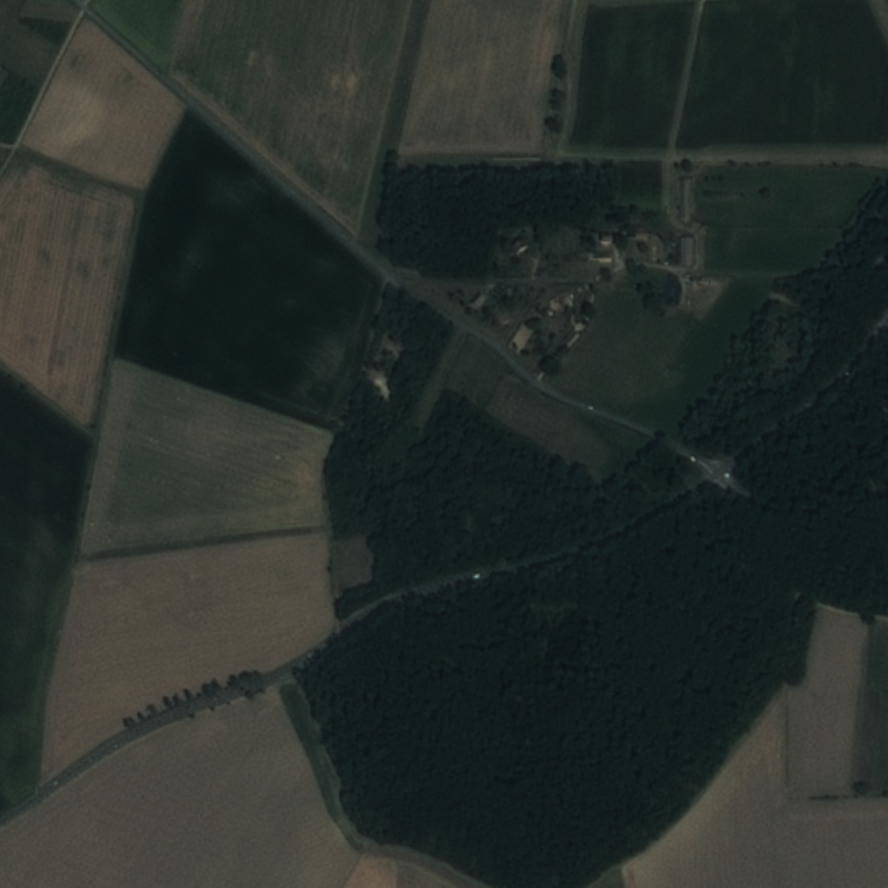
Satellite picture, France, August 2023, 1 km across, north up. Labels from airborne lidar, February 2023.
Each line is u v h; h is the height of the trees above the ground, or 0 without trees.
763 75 0
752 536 21
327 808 0
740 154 0
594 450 0
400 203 23
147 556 0
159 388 0
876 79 0
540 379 0
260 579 0
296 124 0
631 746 21
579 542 17
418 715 21
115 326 0
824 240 0
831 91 0
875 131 0
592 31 0
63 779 0
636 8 0
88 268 0
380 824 14
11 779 0
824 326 14
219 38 0
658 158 0
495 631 22
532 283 0
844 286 21
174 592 0
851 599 19
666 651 17
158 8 0
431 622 22
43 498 0
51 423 0
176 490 0
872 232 20
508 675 13
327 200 0
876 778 0
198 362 0
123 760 0
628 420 0
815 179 0
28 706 0
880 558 20
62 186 0
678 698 21
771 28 0
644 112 0
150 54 0
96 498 0
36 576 0
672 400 0
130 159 0
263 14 0
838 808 0
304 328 0
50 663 0
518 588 13
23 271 0
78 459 0
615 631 20
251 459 0
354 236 0
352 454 13
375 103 0
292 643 0
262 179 0
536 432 0
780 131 0
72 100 0
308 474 0
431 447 13
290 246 0
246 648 0
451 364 0
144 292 0
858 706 0
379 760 19
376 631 19
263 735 0
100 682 0
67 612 0
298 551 0
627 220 14
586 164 0
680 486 16
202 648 0
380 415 7
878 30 0
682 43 0
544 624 6
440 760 21
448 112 0
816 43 0
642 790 21
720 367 0
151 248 0
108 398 0
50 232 0
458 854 12
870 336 13
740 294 0
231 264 0
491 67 0
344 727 21
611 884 0
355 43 0
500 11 0
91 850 0
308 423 0
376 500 17
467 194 24
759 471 20
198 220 0
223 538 0
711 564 18
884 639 0
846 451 25
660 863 0
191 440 0
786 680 15
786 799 0
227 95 0
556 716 15
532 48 0
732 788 0
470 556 9
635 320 0
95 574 0
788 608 18
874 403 24
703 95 0
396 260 14
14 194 0
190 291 0
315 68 0
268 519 0
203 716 0
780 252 0
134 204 0
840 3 0
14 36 0
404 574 13
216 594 0
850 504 20
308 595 0
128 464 0
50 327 0
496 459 15
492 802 19
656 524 18
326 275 0
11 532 0
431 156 0
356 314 0
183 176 0
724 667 19
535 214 20
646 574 22
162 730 0
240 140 0
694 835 0
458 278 17
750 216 0
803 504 21
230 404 0
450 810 15
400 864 0
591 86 0
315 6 0
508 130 0
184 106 0
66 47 0
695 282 0
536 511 16
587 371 0
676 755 19
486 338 0
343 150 0
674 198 0
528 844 19
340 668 22
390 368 11
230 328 0
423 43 0
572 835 16
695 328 0
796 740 0
